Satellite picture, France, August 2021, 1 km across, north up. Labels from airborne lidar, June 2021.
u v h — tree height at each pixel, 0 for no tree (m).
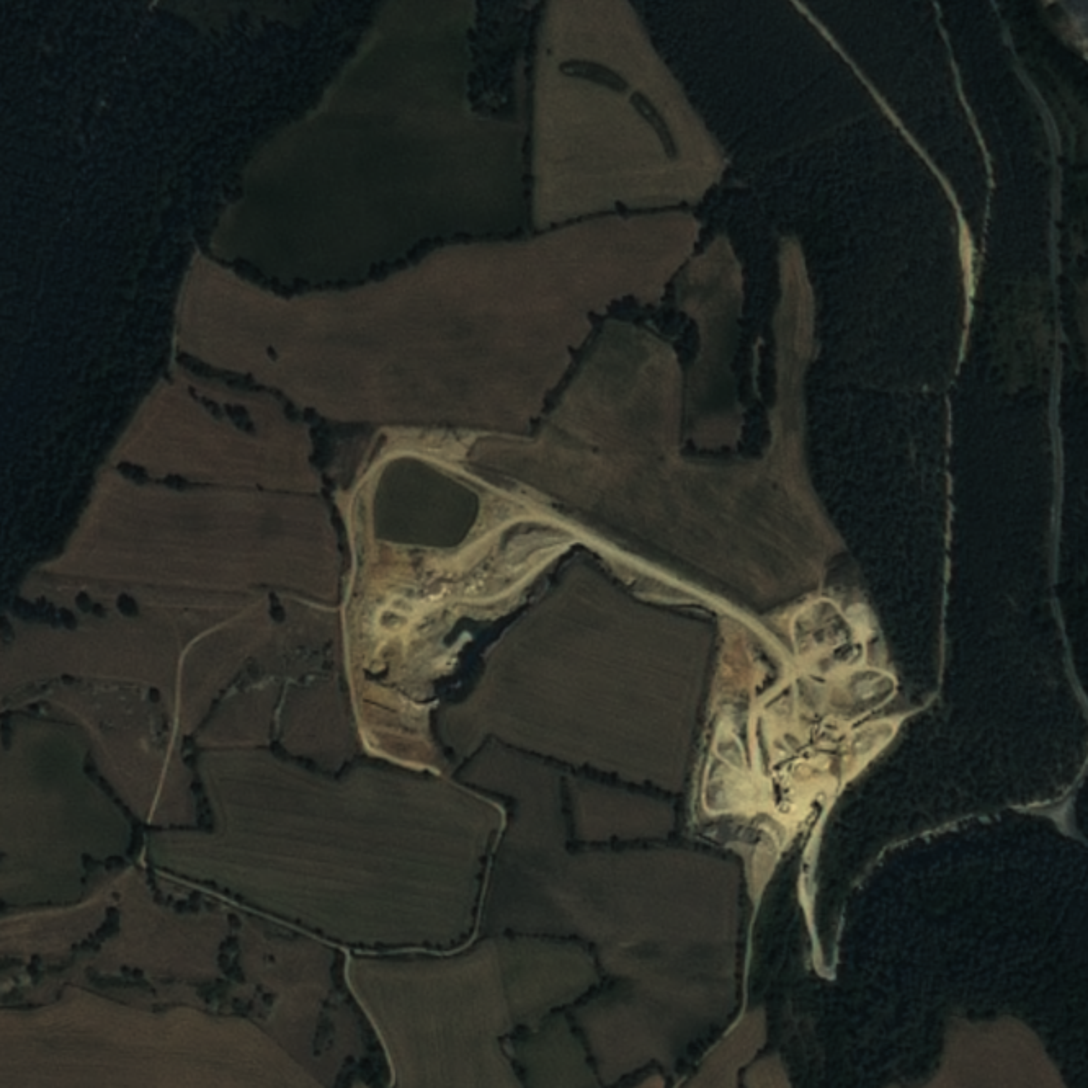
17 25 26
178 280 18
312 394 0
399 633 0
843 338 25
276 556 0
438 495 0
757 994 8
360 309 0
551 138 0
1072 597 20
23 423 26
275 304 0
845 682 0
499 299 0
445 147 0
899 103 11
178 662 0
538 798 0
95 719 0
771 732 0
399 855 0
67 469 18
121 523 0
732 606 0
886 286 14
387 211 0
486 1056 0
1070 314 10
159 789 0
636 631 0
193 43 21
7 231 19
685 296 0
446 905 0
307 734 0
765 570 0
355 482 0
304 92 13
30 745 0
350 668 0
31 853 0
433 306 0
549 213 0
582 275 0
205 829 6
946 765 15
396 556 0
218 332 0
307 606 0
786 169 17
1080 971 12
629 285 0
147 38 23
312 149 0
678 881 0
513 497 0
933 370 15
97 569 0
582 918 0
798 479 0
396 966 0
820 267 12
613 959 0
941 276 17
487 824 0
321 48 17
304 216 0
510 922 0
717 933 0
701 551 0
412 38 0
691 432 0
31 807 0
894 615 16
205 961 0
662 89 0
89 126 19
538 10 8
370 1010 0
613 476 0
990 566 14
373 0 13
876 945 14
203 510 0
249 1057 0
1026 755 16
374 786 0
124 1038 0
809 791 0
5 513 27
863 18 15
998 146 14
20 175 17
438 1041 0
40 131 14
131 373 18
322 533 0
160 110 24
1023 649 17
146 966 0
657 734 0
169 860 0
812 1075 7
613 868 0
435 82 0
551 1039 0
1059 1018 11
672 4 26
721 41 23
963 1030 0
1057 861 19
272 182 0
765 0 17
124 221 22
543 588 0
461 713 0
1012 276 7
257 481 0
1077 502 13
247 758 0
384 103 0
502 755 0
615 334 0
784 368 0
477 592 0
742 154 23
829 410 22
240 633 0
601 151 0
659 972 0
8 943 0
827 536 0
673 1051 0
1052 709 12
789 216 13
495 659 0
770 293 18
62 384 24
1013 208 16
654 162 0
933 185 16
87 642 0
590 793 0
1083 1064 11
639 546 0
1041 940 25
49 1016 0
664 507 0
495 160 0
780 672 0
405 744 0
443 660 0
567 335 0
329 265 0
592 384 0
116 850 0
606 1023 0
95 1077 0
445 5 0
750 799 0
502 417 0
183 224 20
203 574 0
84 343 22
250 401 0
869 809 15
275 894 0
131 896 0
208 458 0
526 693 0
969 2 20
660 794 8
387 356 0
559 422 0
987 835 19
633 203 0
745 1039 0
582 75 0
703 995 0
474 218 0
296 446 0
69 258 20
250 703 0
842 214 21
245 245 0
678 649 0
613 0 0
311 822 0
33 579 0
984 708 13
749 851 0
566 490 0
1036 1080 0
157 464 0
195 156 16
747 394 15
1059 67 15
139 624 0
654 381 0
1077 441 16
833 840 6
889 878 19
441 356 0
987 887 17
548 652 0
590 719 0
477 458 0
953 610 14
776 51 21
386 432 0
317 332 0
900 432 7
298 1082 0
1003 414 15
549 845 0
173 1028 0
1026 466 11
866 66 19
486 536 0
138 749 0
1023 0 14
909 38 18
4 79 20
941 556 9
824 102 23
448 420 0
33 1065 0
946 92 13
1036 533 12
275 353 10
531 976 0
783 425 0
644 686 0
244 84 20
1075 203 11
